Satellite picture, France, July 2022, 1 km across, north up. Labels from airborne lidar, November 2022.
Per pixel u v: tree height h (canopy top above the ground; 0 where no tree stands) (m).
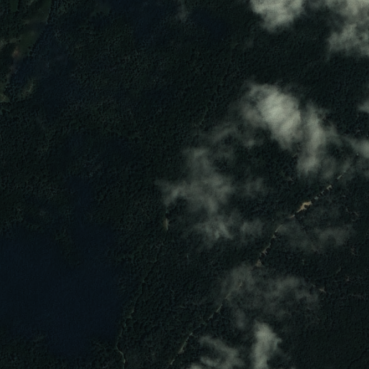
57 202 17
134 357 21
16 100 21
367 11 17
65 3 11
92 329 21
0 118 18
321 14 18
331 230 17
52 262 13
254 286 28
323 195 25
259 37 19
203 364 17
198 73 13
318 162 16
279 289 18
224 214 19
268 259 27
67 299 30
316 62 14
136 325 21
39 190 17
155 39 19
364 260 15
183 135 16
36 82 8
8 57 16
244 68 23
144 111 10
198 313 26
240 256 11
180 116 21
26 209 9
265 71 23
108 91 18
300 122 14
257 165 6
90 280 12
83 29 20
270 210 21
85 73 8
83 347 24
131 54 21
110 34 13
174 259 13
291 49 17
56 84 12
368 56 19
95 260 11
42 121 17
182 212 16
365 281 17
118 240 16
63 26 10
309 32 18
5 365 10
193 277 17
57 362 12
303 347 16
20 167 18
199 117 11
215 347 28
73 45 11
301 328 9
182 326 5
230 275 18
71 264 16
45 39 8
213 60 18
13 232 10
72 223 20
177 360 12
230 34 16
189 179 18
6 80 17
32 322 20
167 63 15
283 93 18
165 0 13
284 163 26
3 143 12
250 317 26
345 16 12
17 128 22
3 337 20
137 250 15
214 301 20
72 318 10
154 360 23
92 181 21
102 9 0
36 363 16
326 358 20
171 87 25
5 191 15
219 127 22
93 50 12
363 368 13
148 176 14
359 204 23
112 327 22
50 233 20
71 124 16
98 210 18
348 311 21
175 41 14
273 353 17
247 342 15
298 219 26
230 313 23
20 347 17
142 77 13
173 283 15
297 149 26
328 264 21
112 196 17
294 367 21
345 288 27
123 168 13
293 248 31
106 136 17
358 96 11
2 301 18
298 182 20
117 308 20
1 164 13
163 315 31
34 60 12
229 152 20
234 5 12
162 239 14
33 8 9
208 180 24
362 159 10
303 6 12
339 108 22
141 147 13
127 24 10
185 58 13
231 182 20
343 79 23
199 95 14
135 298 14
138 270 18
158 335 20
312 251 15
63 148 14
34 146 9
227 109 22
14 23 11
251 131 25
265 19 18
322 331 14
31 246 15
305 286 25
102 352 28
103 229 12
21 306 20
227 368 13
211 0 13
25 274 26
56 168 13
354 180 22
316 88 19
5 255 18
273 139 17
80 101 21
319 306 14
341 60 15
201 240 18
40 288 18
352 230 16
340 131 27
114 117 13
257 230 19
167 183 19
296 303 21
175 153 13
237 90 12
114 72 15
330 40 20
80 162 23
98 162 11
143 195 24
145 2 16
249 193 22
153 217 10
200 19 9
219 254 23
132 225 17
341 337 18
